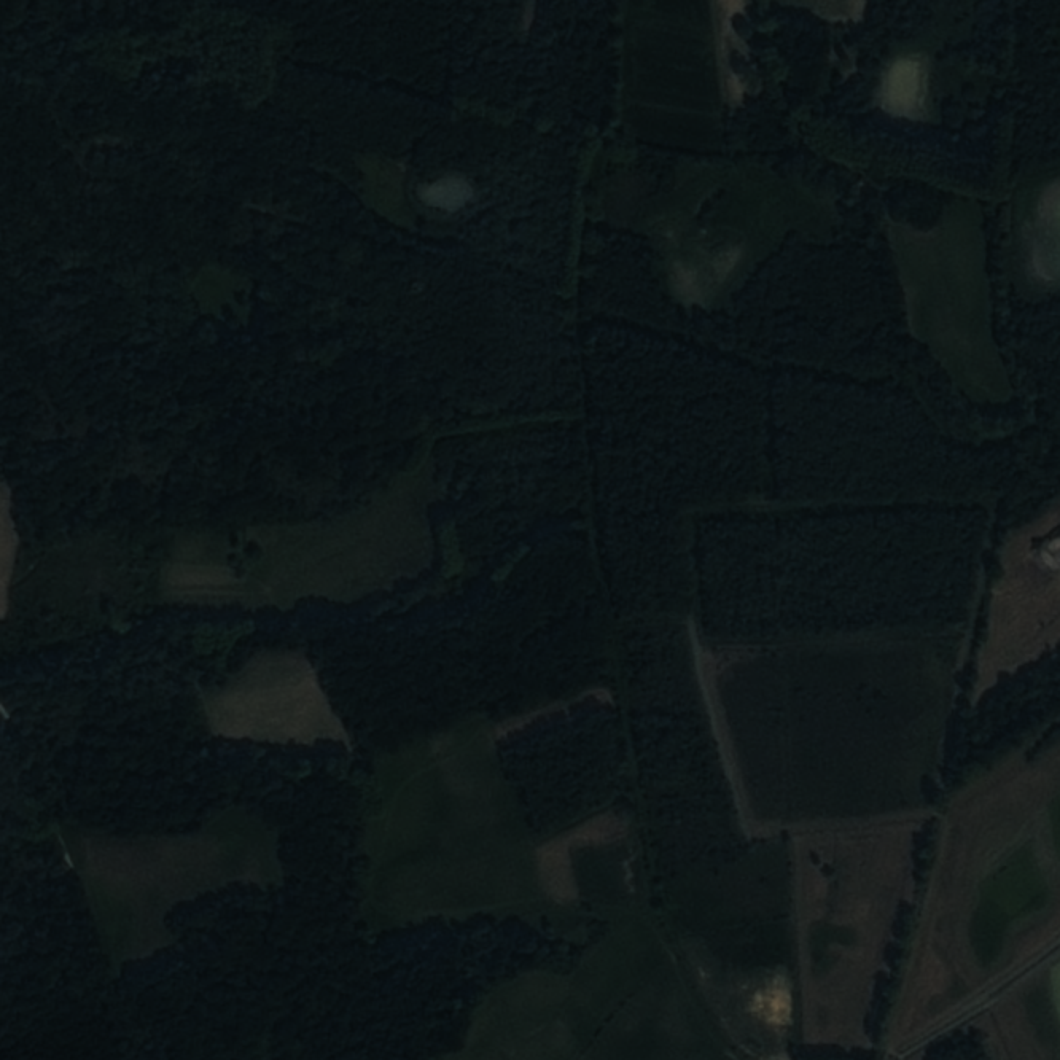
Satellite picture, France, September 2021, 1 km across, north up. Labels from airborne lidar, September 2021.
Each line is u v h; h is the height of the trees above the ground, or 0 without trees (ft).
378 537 0
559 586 81
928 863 42
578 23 50
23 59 68
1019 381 53
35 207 78
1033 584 0
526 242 29
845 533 53
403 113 57
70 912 34
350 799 63
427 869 0
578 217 64
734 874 0
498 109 81
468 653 63
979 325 0
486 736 0
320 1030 90
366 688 88
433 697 91
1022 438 73
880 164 85
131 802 93
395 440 53
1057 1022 0
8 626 22
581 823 0
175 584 0
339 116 61
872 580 30
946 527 53
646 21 0
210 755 65
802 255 28
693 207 0
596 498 37
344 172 45
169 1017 83
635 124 0
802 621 58
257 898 63
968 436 60
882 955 0
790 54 68
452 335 76
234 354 88
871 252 65
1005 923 0
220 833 0
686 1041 0
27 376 69
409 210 0
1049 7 62
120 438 25
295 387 42
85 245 83
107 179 43
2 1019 43
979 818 0
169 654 58
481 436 40
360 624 79
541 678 85
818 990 0
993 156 83
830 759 0
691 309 0
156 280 104
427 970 84
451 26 25
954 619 46
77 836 0
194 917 72
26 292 44
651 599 65
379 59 25
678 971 0
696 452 71
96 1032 67
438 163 46
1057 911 0
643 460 55
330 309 74
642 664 27
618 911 0
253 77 126
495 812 0
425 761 0
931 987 0
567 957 36
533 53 32
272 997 68
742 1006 0
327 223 52
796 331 52
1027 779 0
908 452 55
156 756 98
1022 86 54
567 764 74
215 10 108
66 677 53
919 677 0
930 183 71
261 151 70
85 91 80
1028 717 51
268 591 0
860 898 0
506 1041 0
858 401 56
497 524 50
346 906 71
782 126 32
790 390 65
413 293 76
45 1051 74
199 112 69
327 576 0
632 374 73
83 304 65
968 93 31
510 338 72
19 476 58
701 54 0
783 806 0
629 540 75
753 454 53
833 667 0
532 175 33
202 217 49
